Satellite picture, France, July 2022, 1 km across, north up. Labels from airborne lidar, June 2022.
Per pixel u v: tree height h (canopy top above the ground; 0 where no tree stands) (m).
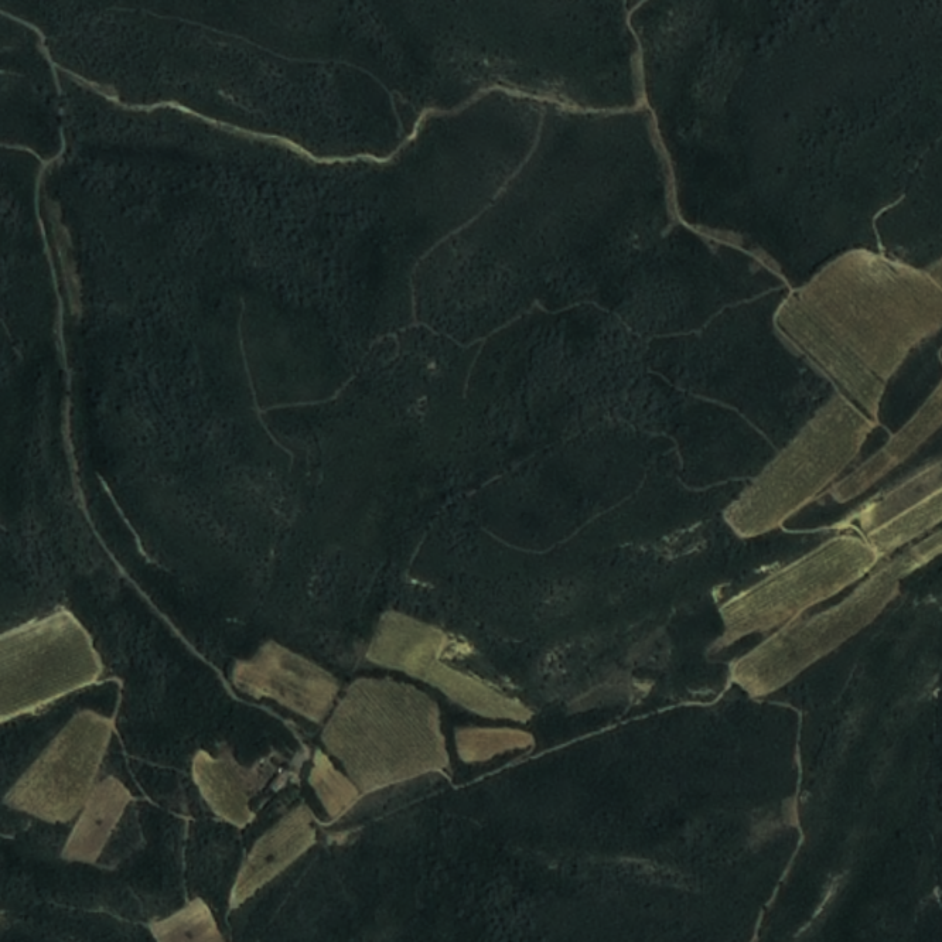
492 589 7
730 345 6
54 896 11
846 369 0
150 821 6
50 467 9
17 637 0
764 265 0
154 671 15
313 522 0
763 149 0
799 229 5
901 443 0
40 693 0
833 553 0
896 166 6
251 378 0
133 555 6
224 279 6
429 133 8
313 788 8
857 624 0
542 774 6
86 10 9
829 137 10
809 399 7
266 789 11
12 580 6
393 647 0
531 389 13
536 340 6
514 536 0
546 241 6
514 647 10
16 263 7
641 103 0
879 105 7
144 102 8
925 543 0
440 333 7
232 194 11
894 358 0
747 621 0
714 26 12
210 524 7
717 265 6
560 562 0
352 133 7
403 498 7
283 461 0
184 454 6
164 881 12
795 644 0
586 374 15
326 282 13
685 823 12
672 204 0
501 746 0
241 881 0
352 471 0
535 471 9
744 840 0
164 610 8
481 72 5
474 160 0
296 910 6
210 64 6
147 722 8
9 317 10
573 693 0
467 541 8
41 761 0
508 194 0
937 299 0
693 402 11
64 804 0
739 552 7
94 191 9
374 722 0
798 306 0
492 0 0
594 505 6
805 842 0
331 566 10
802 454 0
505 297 6
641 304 7
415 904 6
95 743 0
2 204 16
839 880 0
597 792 6
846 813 6
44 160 0
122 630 8
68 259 0
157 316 14
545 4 0
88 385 6
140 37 7
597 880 6
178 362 6
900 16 7
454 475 11
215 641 9
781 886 7
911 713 0
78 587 8
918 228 0
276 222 13
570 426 10
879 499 0
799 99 0
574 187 0
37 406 8
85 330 12
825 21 8
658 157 0
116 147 7
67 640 0
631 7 8
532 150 0
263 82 8
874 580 0
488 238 0
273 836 0
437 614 13
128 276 7
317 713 0
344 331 8
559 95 0
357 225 14
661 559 8
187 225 7
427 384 10
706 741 6
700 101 6
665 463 7
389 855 6
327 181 11
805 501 0
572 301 9
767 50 11
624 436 7
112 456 7
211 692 8
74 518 8
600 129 0
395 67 7
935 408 0
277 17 0
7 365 6
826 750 11
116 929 6
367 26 12
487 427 11
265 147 8
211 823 11
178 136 9
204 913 0
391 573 12
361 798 0
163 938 0
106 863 6
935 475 0
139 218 8
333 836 0
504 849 11
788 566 0
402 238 7
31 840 6
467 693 0
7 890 8
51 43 6
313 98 8
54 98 10
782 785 0
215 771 0
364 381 6
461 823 7
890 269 0
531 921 9
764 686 0
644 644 0
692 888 6
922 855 8
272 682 0
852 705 12
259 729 7
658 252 9
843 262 0
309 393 0
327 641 8
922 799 7
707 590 0
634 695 0
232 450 7
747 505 0
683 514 0
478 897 7
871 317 0
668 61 6
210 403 7
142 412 9
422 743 0
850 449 0
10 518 6
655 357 10
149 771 8
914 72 7
